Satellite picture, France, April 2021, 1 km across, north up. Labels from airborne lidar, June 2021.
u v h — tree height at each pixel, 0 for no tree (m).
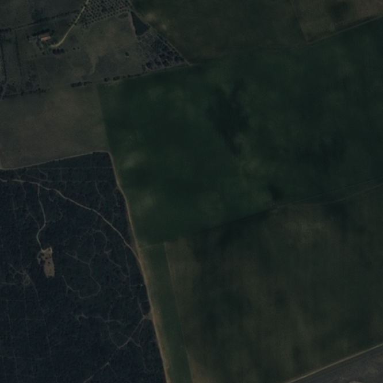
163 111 0
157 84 0
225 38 0
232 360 0
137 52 0
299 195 0
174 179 0
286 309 0
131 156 0
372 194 0
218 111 0
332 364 0
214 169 0
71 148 0
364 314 0
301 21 0
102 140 0
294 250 0
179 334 0
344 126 0
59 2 0
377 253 0
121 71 0
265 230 0
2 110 0
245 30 0
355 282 0
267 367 0
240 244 0
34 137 0
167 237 0
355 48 0
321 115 0
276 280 0
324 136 0
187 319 0
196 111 0
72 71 0
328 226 0
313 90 0
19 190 6
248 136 0
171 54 11
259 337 0
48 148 0
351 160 0
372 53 0
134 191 0
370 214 0
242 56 0
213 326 0
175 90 0
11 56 0
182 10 0
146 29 8
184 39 0
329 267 0
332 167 0
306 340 0
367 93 0
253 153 0
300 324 0
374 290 0
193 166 0
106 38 0
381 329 0
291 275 0
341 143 0
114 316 6
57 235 6
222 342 0
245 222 0
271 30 0
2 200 6
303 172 0
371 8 0
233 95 0
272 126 0
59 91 0
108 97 0
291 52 0
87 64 0
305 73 0
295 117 0
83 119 0
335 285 0
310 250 0
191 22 0
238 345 0
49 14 0
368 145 0
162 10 0
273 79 0
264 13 0
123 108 0
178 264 0
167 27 0
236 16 0
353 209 0
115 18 0
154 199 0
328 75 0
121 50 0
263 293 0
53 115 0
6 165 0
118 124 0
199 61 0
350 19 0
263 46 0
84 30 0
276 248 0
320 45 0
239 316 0
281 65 0
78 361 6
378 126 0
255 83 0
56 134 0
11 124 0
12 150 0
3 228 5
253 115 0
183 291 0
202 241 0
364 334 0
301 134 0
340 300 0
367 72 0
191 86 0
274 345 0
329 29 0
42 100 0
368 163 0
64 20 0
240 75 0
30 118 0
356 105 0
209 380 0
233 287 0
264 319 0
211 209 0
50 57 0
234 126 0
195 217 0
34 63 0
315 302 0
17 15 0
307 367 0
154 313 0
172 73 0
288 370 0
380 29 0
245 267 0
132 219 0
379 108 0
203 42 0
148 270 0
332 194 0
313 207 0
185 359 0
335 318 0
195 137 0
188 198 0
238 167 0
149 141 0
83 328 6
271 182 0
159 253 0
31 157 0
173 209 0
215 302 0
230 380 0
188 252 0
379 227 0
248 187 0
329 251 0
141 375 6
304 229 0
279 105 0
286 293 0
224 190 0
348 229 0
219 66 0
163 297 0
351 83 0
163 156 0
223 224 0
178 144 0
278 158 0
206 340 0
